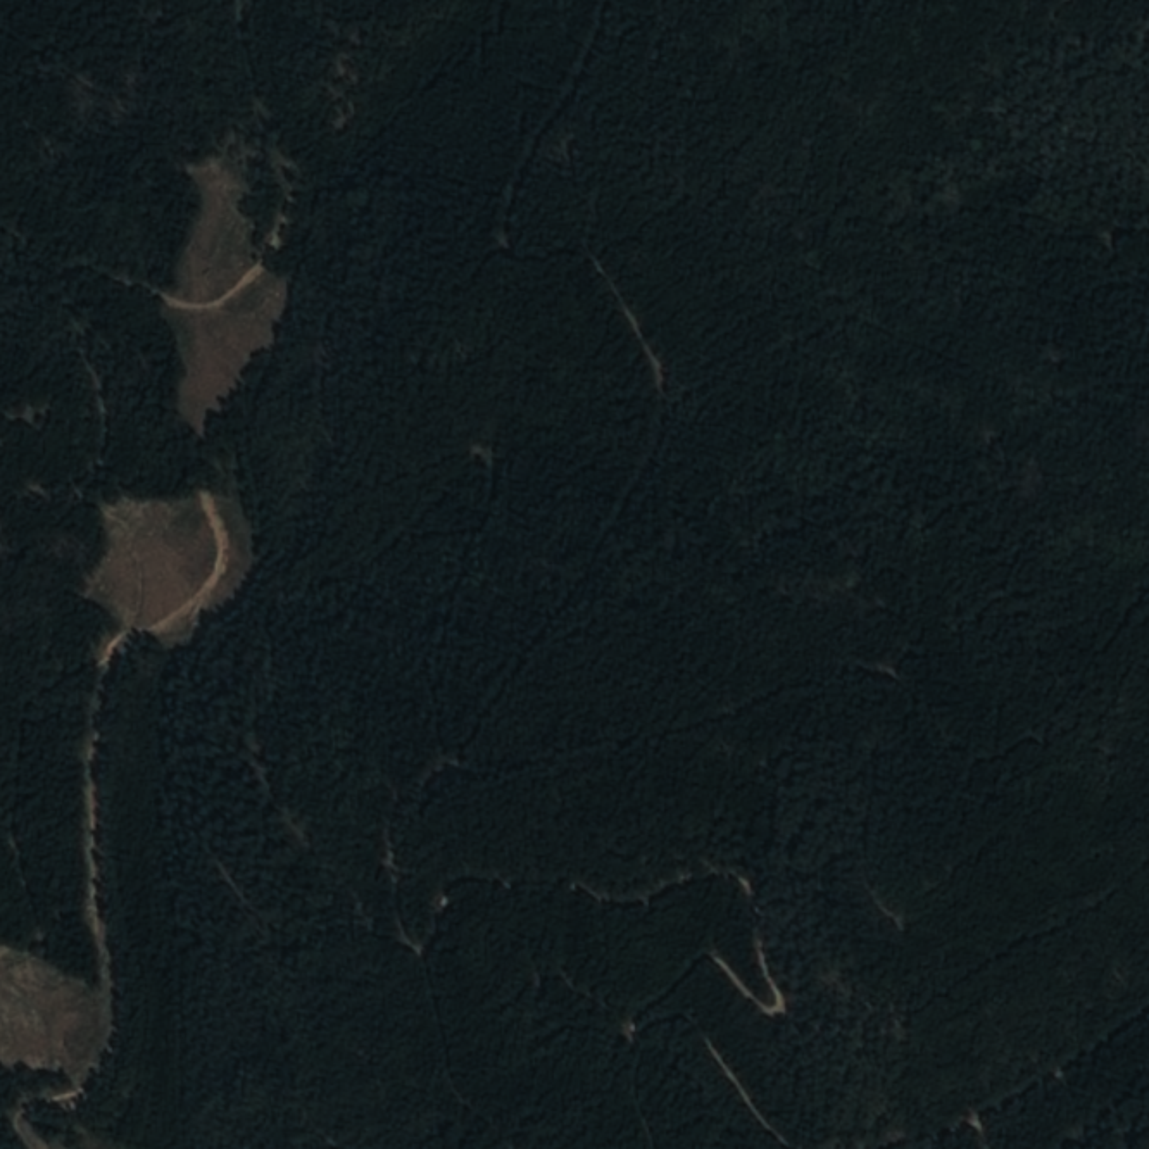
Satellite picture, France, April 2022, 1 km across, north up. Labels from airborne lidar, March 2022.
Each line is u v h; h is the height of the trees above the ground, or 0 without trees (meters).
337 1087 15
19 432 16
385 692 15
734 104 18
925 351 15
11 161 20
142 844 19
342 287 18
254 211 20
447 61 14
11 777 30
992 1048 19
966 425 17
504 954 20
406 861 12
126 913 20
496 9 17
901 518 19
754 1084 14
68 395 15
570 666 24
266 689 15
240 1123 11
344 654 20
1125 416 20
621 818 19
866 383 21
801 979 27
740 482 14
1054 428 19
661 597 20
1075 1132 20
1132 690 21
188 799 31
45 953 20
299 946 11
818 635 17
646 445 23
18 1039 0
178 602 0
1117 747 23
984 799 21
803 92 16
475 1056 15
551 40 12
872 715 27
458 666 20
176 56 21
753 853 16
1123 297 21
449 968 18
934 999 23
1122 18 9
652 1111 22
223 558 0
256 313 0
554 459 15
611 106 18
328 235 19
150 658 28
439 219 26
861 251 24
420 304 20
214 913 30
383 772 15
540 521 20
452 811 28
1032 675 21
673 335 14
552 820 25
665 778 20
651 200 20
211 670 16
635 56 17
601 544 23
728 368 22
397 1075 14
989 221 19
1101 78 24
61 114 15
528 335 29
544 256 27
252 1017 14
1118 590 20
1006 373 21
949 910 23
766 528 17
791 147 13
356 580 21
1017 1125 20
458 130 14
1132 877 20
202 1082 13
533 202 19
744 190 17
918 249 17
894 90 14
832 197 21
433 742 21
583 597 20
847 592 14
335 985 17
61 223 13
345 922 15
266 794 31
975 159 29
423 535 24
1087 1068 23
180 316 0
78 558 25
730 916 11
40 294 22
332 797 17
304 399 12
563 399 19
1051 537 16
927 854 22
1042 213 34
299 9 12
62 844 28
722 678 19
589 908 20
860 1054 23
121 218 19
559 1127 22
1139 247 24
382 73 11
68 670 22
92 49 18
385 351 18
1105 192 26
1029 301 21
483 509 19
